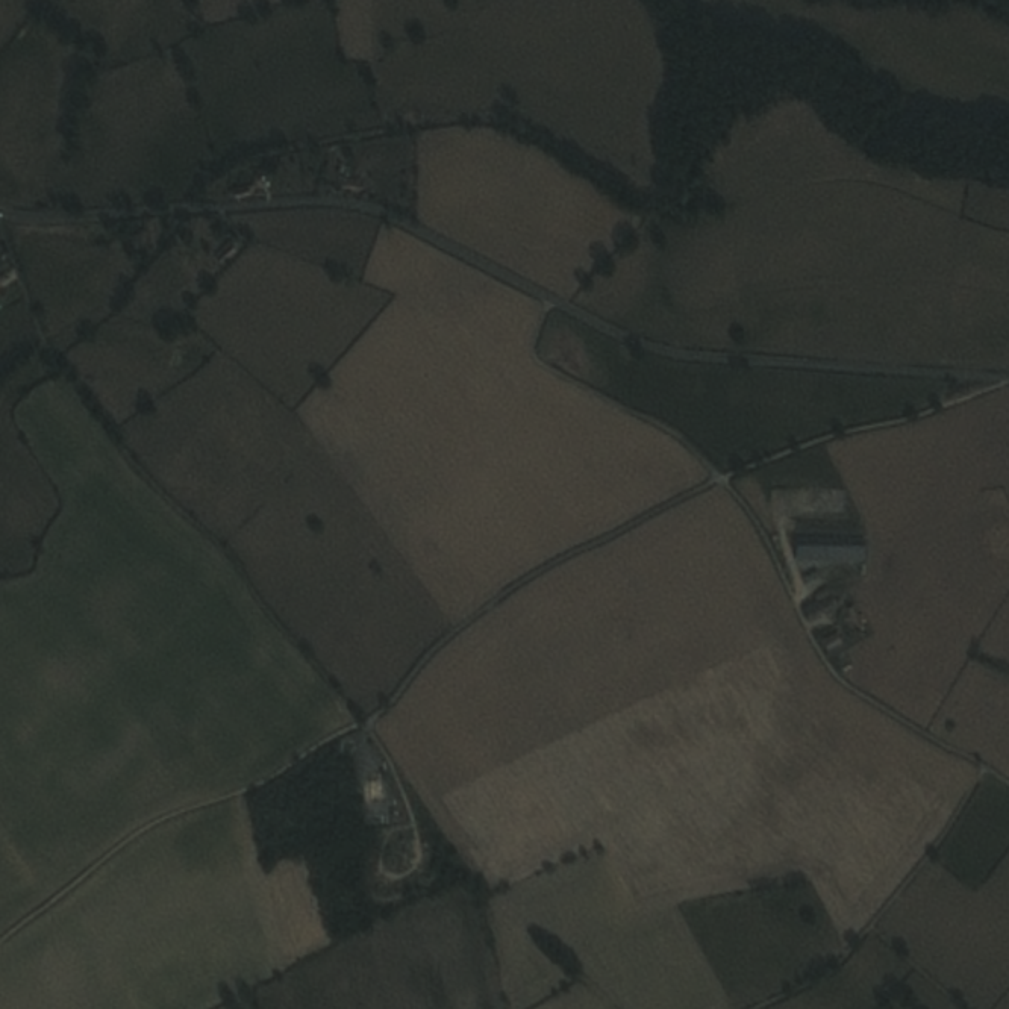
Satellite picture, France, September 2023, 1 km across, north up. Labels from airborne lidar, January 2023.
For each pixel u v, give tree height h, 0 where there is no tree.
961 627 0
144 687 0
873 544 0
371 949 0
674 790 0
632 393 0
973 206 0
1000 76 0
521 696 0
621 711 0
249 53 0
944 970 0
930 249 0
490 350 0
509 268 0
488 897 10
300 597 0
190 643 0
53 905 0
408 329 0
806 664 0
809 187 0
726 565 0
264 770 0
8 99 0
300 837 11
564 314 0
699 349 0
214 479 0
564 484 0
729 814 0
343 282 11
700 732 0
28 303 0
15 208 0
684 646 0
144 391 0
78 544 0
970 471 0
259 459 0
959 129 23
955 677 0
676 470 0
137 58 0
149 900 0
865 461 0
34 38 0
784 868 0
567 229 0
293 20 0
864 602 0
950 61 0
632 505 0
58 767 0
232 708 0
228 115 0
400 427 0
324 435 0
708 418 0
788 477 0
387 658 0
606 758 0
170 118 0
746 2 0
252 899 0
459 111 0
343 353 0
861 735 0
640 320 0
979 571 0
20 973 0
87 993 0
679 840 0
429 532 0
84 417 0
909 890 0
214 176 9
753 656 0
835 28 0
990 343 0
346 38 0
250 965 0
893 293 0
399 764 0
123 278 0
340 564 0
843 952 0
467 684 0
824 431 0
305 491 0
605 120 0
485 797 0
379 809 0
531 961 0
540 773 0
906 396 0
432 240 0
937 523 0
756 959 0
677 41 20
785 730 0
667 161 14
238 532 0
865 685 0
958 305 0
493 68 0
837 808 0
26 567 0
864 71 22
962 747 0
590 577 0
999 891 0
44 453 0
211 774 0
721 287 0
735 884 0
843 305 0
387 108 0
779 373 0
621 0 0
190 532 0
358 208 0
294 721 0
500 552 0
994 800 0
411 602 0
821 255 0
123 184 0
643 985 0
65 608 0
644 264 0
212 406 0
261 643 0
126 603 0
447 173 0
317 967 0
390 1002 0
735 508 0
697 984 0
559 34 0
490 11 0
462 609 0
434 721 0
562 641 0
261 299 0
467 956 0
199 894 0
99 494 0
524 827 0
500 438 0
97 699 0
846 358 0
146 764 0
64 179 0
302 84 0
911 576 0
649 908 0
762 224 0
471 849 0
